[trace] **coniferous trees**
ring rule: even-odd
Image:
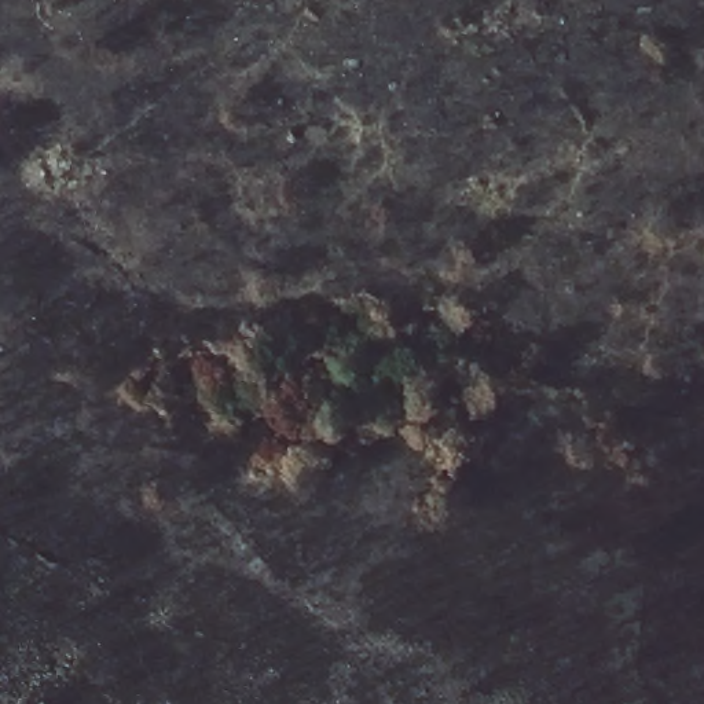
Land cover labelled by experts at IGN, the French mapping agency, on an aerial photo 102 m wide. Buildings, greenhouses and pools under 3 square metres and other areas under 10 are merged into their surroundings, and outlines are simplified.
[[[696,50],[704,50],[704,8],[699,3],[690,6],[688,28],[655,22],[655,33],[649,36],[663,50],[666,83],[682,85],[688,74],[696,74],[693,55]]]
[[[652,448],[646,451],[646,457],[638,459],[627,457],[630,443],[622,440],[613,429],[611,410],[602,413],[600,421],[594,421],[589,415],[589,396],[580,388],[547,385],[545,396],[531,399],[528,421],[542,426],[556,443],[561,443],[561,454],[569,468],[605,470],[619,465],[627,484],[646,484],[646,479],[652,476],[652,465],[657,465]]]
[[[223,316],[217,322],[217,336],[212,341],[204,341],[198,352],[190,347],[190,336],[182,336],[182,358],[187,358],[190,363],[195,399],[201,410],[209,415],[209,426],[217,432],[234,432],[250,418],[264,418],[270,426],[248,462],[248,484],[278,487],[283,481],[289,487],[297,481],[300,470],[327,465],[344,468],[363,457],[371,465],[385,465],[396,459],[407,446],[424,454],[432,465],[454,470],[459,465],[459,457],[470,446],[476,448],[490,437],[492,418],[487,415],[487,410],[495,407],[495,399],[501,396],[501,380],[495,363],[487,358],[487,349],[498,347],[495,330],[506,311],[498,308],[498,303],[490,294],[470,297],[465,283],[448,283],[440,281],[435,272],[426,272],[415,278],[415,283],[369,283],[366,292],[341,297],[336,305],[327,303],[322,294],[289,297],[270,305],[239,303],[231,316]]]

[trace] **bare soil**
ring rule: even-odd
[[[0,0],[0,704],[704,704],[704,50],[696,50],[693,55],[696,74],[688,74],[682,85],[666,83],[663,50],[649,36],[655,33],[655,22],[688,28],[690,6],[699,3],[704,8],[704,0]],[[415,278],[426,272],[435,272],[440,281],[448,283],[465,283],[470,297],[490,294],[498,303],[498,308],[506,311],[495,330],[498,347],[487,349],[487,358],[495,363],[501,380],[501,396],[495,399],[495,407],[487,410],[487,415],[492,418],[490,437],[476,448],[470,446],[459,457],[459,465],[454,470],[432,465],[424,454],[407,446],[396,459],[385,465],[371,465],[363,457],[344,468],[327,465],[300,470],[297,481],[289,487],[283,481],[278,487],[248,484],[248,462],[270,426],[264,418],[250,418],[234,432],[217,432],[209,426],[209,415],[201,410],[195,399],[190,363],[187,358],[182,358],[182,336],[190,336],[190,347],[198,352],[204,341],[212,341],[217,336],[217,322],[223,316],[231,316],[239,303],[270,305],[289,297],[322,294],[327,303],[336,305],[341,297],[366,292],[369,283],[415,283]],[[657,465],[652,465],[652,476],[646,479],[646,484],[627,484],[619,465],[605,470],[569,468],[561,454],[561,443],[556,443],[542,426],[528,421],[531,399],[545,396],[547,385],[580,388],[589,396],[589,415],[594,421],[600,421],[602,413],[611,410],[613,429],[622,440],[630,443],[627,457],[638,459],[646,457],[646,451],[652,448]]]

